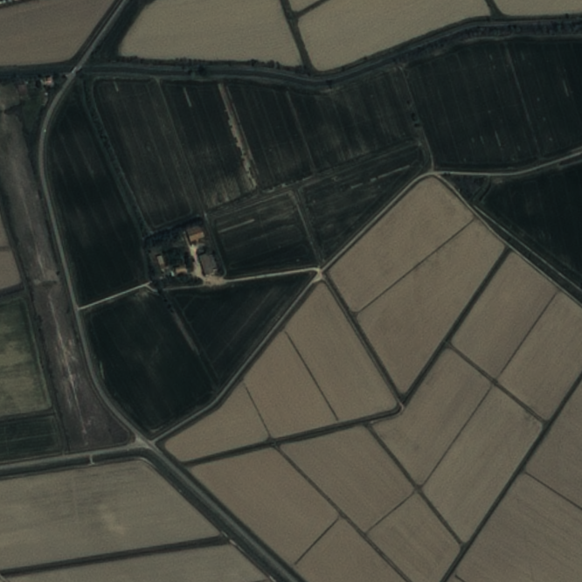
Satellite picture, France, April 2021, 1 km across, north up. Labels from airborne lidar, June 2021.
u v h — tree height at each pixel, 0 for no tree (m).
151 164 0
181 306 0
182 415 0
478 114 0
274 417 0
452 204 0
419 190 0
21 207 0
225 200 0
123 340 0
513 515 0
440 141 0
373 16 0
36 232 0
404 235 0
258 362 0
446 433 0
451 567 0
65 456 0
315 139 0
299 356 0
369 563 0
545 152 0
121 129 0
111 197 0
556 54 0
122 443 0
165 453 0
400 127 0
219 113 0
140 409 0
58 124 0
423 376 0
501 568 0
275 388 0
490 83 0
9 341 0
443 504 0
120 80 0
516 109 0
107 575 0
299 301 0
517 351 0
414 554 0
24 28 0
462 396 0
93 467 0
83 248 0
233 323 0
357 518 0
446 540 0
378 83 0
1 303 0
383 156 0
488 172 0
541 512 0
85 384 0
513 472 0
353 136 0
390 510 0
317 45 0
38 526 0
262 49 0
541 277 0
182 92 0
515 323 0
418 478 0
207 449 0
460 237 0
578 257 0
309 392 0
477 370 0
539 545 0
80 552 0
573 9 0
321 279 0
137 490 0
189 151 0
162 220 0
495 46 0
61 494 0
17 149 0
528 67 0
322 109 0
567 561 0
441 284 0
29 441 0
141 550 0
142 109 0
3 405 0
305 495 0
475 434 0
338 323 0
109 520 0
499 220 0
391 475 0
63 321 0
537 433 0
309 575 0
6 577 0
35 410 0
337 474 0
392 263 0
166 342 0
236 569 0
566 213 0
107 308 0
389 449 0
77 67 0
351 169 0
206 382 0
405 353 0
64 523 0
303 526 0
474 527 0
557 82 0
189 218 0
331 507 0
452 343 0
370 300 0
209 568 0
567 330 0
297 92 0
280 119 0
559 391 0
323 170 0
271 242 0
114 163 6
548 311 0
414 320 0
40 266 0
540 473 0
